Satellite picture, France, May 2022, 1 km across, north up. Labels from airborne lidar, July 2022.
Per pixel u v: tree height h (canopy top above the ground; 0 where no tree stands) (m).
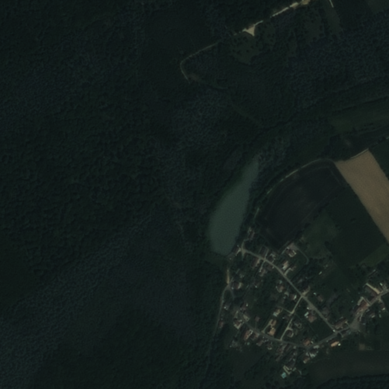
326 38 8
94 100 22
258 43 13
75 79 16
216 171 20
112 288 24
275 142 25
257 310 0
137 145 28
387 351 0
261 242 16
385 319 0
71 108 17
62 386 31
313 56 30
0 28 25
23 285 13
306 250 0
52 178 13
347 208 0
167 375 22
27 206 27
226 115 23
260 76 23
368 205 0
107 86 25
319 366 0
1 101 23
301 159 0
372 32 24
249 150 21
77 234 28
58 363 24
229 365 19
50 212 27
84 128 19
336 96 20
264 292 9
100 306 22
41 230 16
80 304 28
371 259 0
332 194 0
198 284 22
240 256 6
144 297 18
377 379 14
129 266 22
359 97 22
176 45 13
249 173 0
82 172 17
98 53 14
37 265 24
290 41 12
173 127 24
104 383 27
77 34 25
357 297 0
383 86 24
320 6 14
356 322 0
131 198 24
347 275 0
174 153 23
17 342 25
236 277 19
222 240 0
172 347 27
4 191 22
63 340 22
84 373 28
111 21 8
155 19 12
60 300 16
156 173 27
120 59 9
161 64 18
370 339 0
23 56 24
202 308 20
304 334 10
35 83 24
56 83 23
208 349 16
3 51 27
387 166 0
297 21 16
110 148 26
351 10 12
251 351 0
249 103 23
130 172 24
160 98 15
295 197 0
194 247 15
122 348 27
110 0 28
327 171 0
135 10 22
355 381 12
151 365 28
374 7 0
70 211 26
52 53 25
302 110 21
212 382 21
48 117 27
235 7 26
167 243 20
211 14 24
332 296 0
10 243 12
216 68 21
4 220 22
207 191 17
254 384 0
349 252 0
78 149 23
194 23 11
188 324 21
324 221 0
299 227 0
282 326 10
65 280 29
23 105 20
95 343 23
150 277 23
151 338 27
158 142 14
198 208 20
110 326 22
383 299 6
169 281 16
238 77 23
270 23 8
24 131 26
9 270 14
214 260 0
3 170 23
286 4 21
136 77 20
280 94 29
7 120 26
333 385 19
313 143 21
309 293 0
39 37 26
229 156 17
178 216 34
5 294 13
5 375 24
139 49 16
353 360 0
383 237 8
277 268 0
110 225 27
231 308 6
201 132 30
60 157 22
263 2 25
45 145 28
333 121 0
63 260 23
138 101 21
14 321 12
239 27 25
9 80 21
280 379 0
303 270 8
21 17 29
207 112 32
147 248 22
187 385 19
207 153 11
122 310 19
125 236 28
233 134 15
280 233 0
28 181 14
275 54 19
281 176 15
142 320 24
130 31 22
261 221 0
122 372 25
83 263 27
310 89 27
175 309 19
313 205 0
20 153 23
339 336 9
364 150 0
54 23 29
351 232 0
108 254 23
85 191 29
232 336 0
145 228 20
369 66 28
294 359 8
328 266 0
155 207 16
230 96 22
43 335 25
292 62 30
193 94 10
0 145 24
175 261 15
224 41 13
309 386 20
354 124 0
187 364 7
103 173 24
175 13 12
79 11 28
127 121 23
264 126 21
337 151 24
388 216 0
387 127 0
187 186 18
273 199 0
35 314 19
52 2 28
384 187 0
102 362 26
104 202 31
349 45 33
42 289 26
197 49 9
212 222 0
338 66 30
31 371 25
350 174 0
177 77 11
